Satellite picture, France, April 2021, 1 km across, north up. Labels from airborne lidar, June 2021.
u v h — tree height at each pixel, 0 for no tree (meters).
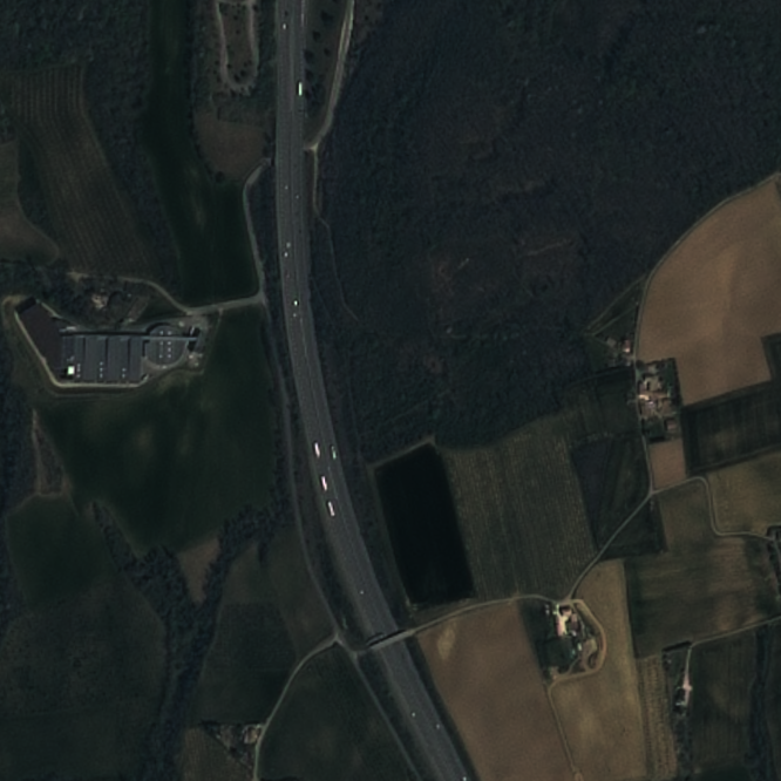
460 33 16
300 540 0
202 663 8
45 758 0
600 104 20
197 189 0
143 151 7
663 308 0
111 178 6
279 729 0
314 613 0
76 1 14
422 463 0
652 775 0
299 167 0
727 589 0
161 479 0
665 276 0
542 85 20
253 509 11
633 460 0
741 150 17
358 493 6
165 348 0
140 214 8
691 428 0
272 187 11
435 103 17
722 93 19
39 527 0
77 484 0
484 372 6
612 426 0
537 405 19
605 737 0
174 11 0
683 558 0
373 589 0
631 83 25
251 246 0
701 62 23
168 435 0
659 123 23
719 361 0
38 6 13
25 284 18
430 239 14
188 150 0
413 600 0
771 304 0
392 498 0
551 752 0
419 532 0
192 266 0
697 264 0
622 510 0
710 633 0
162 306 0
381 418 11
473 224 23
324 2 0
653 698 0
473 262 8
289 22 0
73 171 6
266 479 0
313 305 9
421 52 6
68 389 0
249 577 0
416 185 17
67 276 12
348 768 0
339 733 0
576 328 20
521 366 16
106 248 6
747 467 0
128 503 0
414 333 14
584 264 22
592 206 21
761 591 0
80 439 0
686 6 20
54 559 0
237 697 0
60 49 18
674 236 10
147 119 0
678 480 0
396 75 9
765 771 21
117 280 14
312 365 0
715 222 0
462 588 0
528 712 0
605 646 0
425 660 0
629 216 16
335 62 0
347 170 6
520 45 17
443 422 7
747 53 16
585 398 0
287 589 0
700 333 0
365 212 6
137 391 0
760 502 0
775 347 0
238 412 0
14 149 0
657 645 0
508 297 19
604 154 22
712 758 0
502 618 0
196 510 0
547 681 0
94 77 15
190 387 0
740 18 15
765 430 0
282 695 0
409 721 0
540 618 0
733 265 0
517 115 10
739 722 0
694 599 0
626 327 0
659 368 13
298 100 0
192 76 10
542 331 19
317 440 0
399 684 0
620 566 0
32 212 6
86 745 0
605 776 0
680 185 21
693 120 25
